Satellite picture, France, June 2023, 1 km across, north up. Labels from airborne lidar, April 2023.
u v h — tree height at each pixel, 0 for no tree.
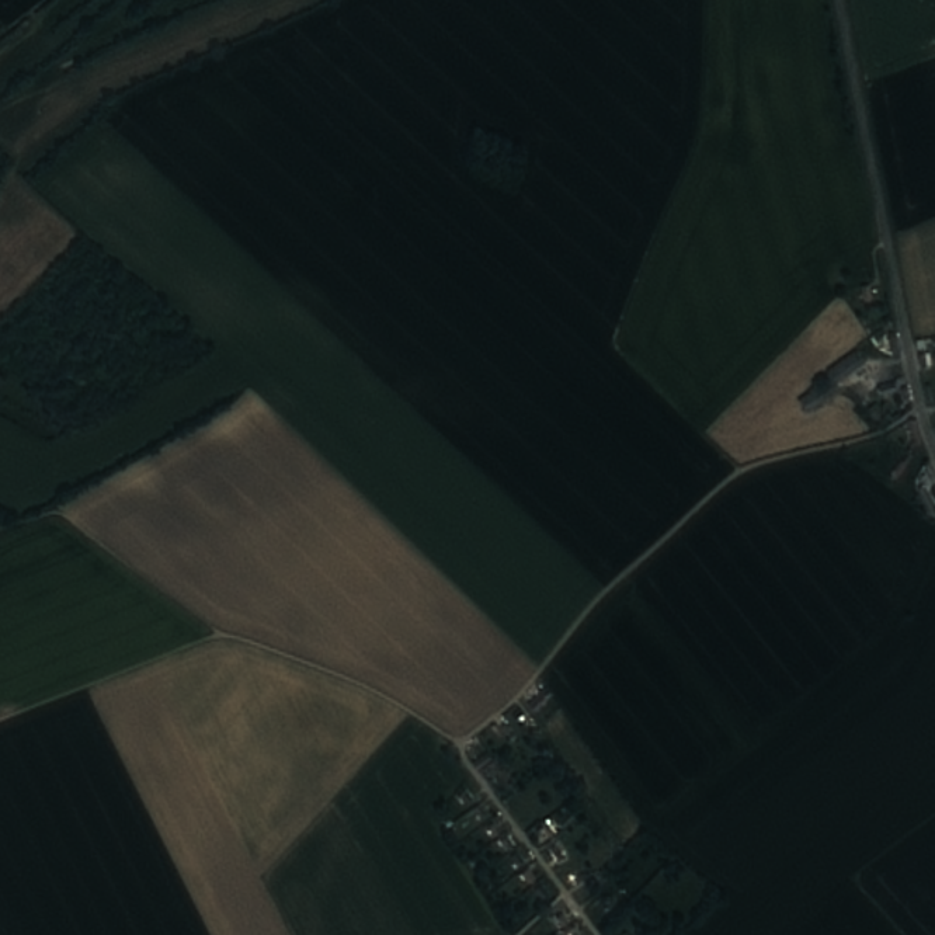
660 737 0
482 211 0
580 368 0
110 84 0
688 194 0
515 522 0
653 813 0
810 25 0
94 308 20
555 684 0
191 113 0
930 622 0
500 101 0
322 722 0
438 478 0
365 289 0
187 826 0
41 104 0
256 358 0
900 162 0
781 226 0
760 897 0
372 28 0
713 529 0
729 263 0
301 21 0
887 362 0
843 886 0
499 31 0
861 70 0
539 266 0
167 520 0
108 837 0
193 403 0
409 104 0
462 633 0
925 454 0
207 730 0
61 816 0
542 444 0
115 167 0
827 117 0
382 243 0
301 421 0
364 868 0
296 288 0
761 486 0
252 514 0
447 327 0
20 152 0
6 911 0
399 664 0
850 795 0
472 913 0
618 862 7
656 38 0
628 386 0
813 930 0
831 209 0
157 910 0
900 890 0
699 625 0
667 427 0
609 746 0
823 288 0
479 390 0
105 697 0
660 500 0
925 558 0
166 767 0
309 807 0
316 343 0
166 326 9
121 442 0
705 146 0
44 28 0
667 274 0
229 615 0
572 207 0
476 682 0
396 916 0
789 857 0
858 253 0
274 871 0
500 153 22
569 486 0
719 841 0
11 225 0
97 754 0
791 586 0
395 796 0
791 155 0
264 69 0
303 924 0
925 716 0
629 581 0
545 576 0
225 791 0
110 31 0
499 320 0
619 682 0
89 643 0
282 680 0
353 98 0
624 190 0
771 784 0
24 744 0
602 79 0
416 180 0
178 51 0
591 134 0
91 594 0
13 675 0
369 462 0
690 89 0
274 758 0
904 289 0
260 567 0
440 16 0
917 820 0
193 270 0
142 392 16
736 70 0
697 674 0
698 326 0
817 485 0
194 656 0
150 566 0
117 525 0
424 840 0
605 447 0
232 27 0
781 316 0
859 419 0
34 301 9
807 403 0
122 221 0
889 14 0
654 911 19
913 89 0
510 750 10
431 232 0
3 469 0
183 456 0
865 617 0
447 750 8
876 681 0
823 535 0
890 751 0
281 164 0
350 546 0
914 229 0
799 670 0
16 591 0
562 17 0
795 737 0
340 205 0
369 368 0
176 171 0
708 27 0
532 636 0
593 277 0
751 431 0
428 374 0
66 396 6
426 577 0
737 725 0
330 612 0
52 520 0
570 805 16
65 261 8
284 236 0
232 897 0
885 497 0
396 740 0
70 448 0
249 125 0
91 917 0
